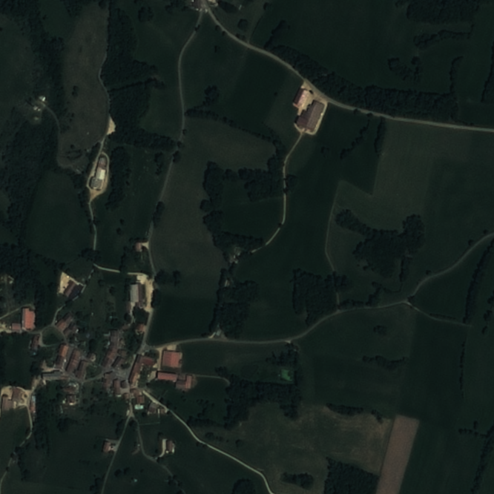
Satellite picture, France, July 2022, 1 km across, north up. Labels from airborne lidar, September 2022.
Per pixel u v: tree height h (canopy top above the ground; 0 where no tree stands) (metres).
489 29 0
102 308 0
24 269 17
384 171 0
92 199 0
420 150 0
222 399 0
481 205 0
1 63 0
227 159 0
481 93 0
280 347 0
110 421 0
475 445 0
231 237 22
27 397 0
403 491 0
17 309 0
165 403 14
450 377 0
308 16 0
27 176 8
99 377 0
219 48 10
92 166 10
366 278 0
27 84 0
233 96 0
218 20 8
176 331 0
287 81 0
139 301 0
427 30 0
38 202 0
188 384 0
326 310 19
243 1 0
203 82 0
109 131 0
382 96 24
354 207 0
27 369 0
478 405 0
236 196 0
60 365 0
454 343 0
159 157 18
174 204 0
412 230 20
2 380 15
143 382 0
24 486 0
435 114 14
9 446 0
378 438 0
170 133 0
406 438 0
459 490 0
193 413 0
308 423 0
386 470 0
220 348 0
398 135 0
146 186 0
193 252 0
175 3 8
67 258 0
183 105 0
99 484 14
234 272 17
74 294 0
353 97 12
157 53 0
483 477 13
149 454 0
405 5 16
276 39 16
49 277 0
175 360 0
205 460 0
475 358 0
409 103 20
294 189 16
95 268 11
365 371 0
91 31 0
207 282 0
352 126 0
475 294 19
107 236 0
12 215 16
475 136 0
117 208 15
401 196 0
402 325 0
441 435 0
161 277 20
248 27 15
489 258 15
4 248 14
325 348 0
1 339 14
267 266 0
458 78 10
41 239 0
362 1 0
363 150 0
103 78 11
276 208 0
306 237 0
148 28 0
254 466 0
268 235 0
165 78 0
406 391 0
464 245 0
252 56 0
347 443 0
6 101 0
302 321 0
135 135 20
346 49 0
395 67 15
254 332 0
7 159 13
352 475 20
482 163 0
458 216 0
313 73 15
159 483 0
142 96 20
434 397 0
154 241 0
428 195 0
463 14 18
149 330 0
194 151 0
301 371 16
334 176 0
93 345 13
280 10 0
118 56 15
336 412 9
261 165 0
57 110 7
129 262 17
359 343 0
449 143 0
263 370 0
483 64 0
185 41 0
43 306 21
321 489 0
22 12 18
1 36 0
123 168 18
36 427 11
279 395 17
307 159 0
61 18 0
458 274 0
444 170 0
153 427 0
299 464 0
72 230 0
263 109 0
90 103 0
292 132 0
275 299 0
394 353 0
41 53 17
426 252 0
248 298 18
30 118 0
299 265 0
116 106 13
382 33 0
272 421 0
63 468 0
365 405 0
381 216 0
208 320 0
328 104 0
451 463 0
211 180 20
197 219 0
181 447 0
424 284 0
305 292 21
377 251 17
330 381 0
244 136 0
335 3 0
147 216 0
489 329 7
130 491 0
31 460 0
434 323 0
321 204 0
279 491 0
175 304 0
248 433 0
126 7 0
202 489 0
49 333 0
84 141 0
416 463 0
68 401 0
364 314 0
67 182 0
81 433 0
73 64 0
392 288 0
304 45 0
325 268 0
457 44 0
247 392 26
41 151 6
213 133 0
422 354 0
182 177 0
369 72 0
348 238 0
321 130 0
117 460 0
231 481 0
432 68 0
